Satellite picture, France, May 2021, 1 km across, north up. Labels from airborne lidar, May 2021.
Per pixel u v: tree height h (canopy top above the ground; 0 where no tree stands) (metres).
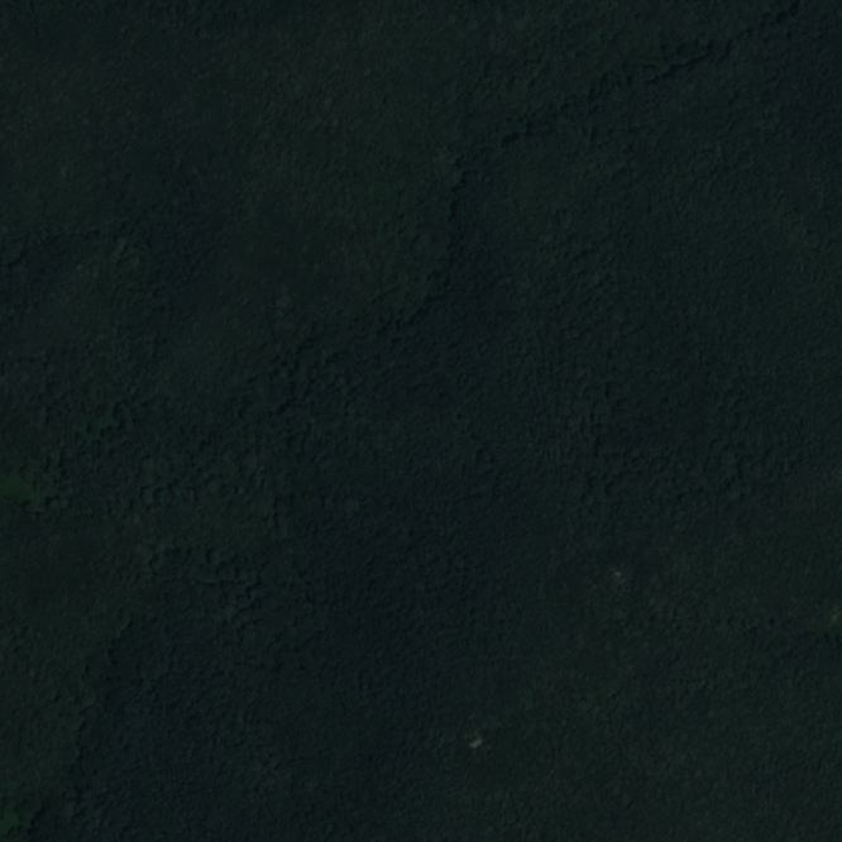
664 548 9
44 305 5
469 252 11
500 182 11
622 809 10
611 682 10
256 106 11
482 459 16
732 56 15
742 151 11
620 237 13
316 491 8
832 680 7
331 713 19
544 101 13
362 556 16
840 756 12
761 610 8
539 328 8
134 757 6
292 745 19
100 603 13
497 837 6
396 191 9
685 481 7
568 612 8
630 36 15
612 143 10
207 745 13
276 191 10
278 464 17
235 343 7
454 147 13
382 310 22
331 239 8
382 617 14
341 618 12
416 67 9
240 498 6
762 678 10
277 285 9
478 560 6
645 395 14
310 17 10
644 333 13
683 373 15
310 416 11
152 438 15
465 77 9
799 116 13
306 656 21
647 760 11
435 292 22
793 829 10
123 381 15
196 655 9
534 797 7
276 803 15
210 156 9
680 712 8
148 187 6
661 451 9
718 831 6
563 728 9
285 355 12
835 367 10
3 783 9
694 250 9
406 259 11
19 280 20
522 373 10
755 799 10
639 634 12
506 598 9
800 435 10
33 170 7
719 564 8
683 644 9
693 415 15
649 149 15
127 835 11
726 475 14
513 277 10
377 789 17
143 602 11
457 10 8
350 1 10
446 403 16
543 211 9
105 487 13
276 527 8
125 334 13
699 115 11
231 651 15
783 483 9
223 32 9
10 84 7
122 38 6
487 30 6
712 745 7
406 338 14
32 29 9
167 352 7
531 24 9
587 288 13
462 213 26
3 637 18
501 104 11
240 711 15
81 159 9
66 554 11
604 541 10
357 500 17
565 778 7
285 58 12
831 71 9
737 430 13
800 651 14
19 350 8
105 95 7
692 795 8
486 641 9
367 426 7
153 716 10
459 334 10
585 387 9
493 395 9
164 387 8
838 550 11
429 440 8
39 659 13
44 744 14
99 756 13
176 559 27
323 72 11
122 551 9
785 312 10
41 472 8
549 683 9
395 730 16
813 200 19
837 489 8
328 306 14
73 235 14
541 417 12
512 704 8
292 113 11
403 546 12
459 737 10
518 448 6
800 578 10
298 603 19
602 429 17
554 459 10
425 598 15
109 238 10
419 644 9
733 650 7
